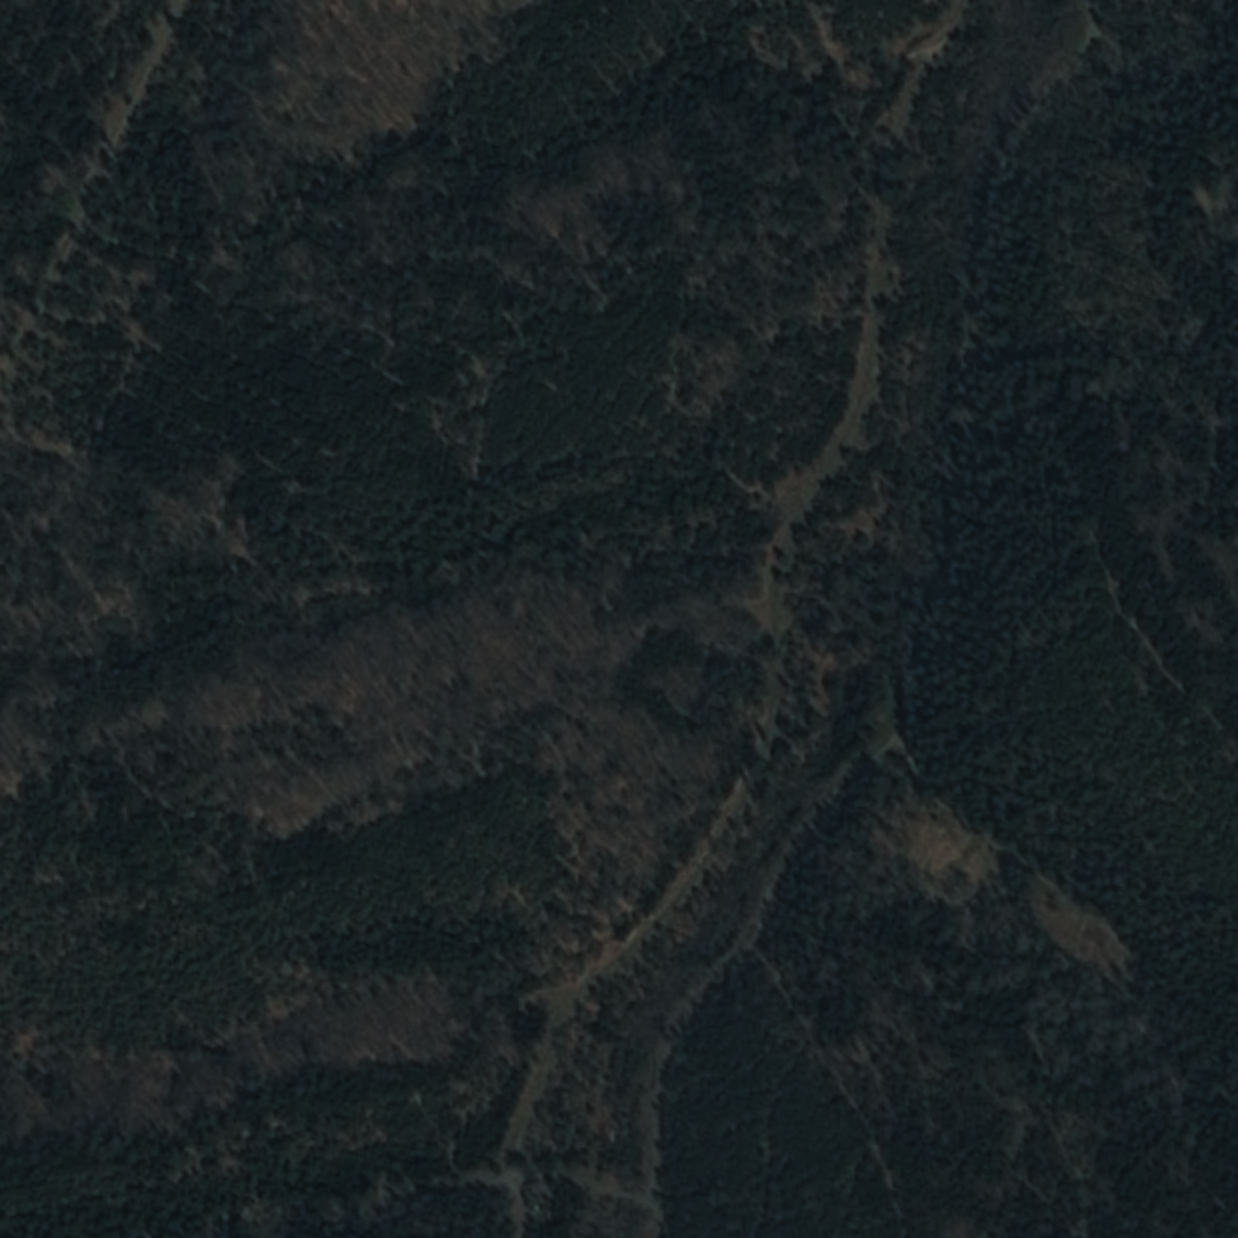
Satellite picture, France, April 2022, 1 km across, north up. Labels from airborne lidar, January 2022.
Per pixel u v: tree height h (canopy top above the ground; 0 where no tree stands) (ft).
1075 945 0
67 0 39
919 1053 27
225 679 66
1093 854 31
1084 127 41
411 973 95
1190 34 40
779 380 33
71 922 27
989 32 37
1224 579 55
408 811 28
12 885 30
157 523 90
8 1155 41
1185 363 73
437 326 46
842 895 52
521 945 85
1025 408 103
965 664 94
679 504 77
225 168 72
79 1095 72
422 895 24
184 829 38
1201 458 65
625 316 35
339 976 88
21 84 33
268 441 28
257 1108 101
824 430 37
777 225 96
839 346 32
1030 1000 31
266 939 46
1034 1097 46
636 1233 31
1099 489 73
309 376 43
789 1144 38
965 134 63
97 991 30
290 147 76
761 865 23
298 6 64
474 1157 45
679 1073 35
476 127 32
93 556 79
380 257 53
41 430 30
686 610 78
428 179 73
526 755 40
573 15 40
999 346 119
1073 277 37
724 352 64
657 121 67
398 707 0
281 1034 59
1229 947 54
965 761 88
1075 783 25
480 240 63
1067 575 60
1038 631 86
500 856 21
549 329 69
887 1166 26
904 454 28
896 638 26
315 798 73
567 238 34
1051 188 33
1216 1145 84
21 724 91
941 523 24
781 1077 34
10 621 69
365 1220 89
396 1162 47
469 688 51
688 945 26
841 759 45
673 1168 37
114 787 38
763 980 36
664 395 34
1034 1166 40
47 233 56
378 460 39
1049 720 34
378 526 37
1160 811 32
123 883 41
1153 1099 84
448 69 66
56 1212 33
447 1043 58
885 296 0
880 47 55
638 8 55
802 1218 27
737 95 81
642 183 52
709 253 64
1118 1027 85
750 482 37
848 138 33
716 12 68
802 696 44
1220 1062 97
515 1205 56
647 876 78
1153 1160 41
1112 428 47
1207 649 49
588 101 62
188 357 37
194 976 31
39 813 37
